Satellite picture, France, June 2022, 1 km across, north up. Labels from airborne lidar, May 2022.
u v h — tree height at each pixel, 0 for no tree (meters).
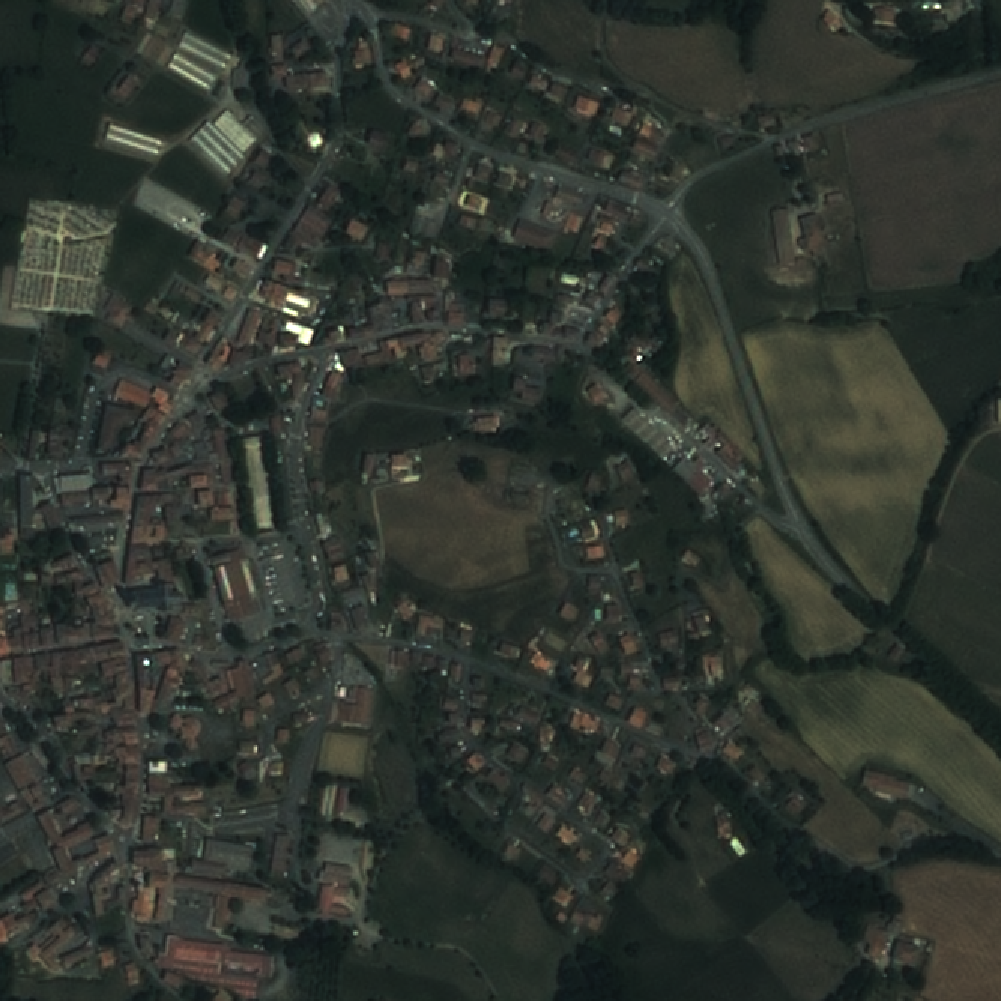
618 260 7
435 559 0
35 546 15
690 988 0
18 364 0
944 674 31
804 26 0
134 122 0
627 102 20
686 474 0
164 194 0
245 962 0
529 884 8
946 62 18
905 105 0
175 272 0
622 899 7
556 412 12
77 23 0
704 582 0
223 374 0
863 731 0
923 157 0
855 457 0
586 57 0
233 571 0
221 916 0
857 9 17
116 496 0
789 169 11
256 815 0
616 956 0
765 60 0
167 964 0
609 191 0
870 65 0
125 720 0
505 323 8
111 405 0
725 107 0
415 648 0
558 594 0
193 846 0
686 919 0
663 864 0
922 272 0
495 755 0
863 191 0
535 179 0
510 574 0
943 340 0
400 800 0
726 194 0
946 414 0
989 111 0
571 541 0
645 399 14
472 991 0
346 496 0
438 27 0
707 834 0
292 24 0
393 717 0
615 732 0
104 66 0
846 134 0
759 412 0
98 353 17
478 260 0
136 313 8
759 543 0
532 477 0
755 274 0
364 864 0
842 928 22
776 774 14
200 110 0
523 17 0
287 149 12
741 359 0
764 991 0
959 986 0
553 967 0
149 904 0
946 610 0
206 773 17
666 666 8
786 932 0
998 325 0
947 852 22
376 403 0
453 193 0
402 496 0
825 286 0
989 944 0
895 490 0
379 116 0
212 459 0
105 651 0
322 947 16
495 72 6
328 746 0
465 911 0
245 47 20
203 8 0
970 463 0
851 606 25
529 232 0
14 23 0
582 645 0
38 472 0
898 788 0
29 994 0
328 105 15
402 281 0
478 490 0
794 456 0
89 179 0
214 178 0
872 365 0
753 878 0
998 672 0
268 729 0
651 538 0
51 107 0
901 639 25
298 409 0
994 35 20
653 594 17
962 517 0
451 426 14
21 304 0
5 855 0
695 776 7
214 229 15
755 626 0
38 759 0
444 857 0
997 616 0
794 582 0
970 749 0
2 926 0
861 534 0
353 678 0
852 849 0
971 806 0
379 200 9
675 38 0
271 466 19
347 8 0
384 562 0
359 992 0
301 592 0
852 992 8
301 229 0
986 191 0
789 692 0
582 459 0
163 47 0
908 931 0
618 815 9
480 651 0
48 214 0
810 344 0
